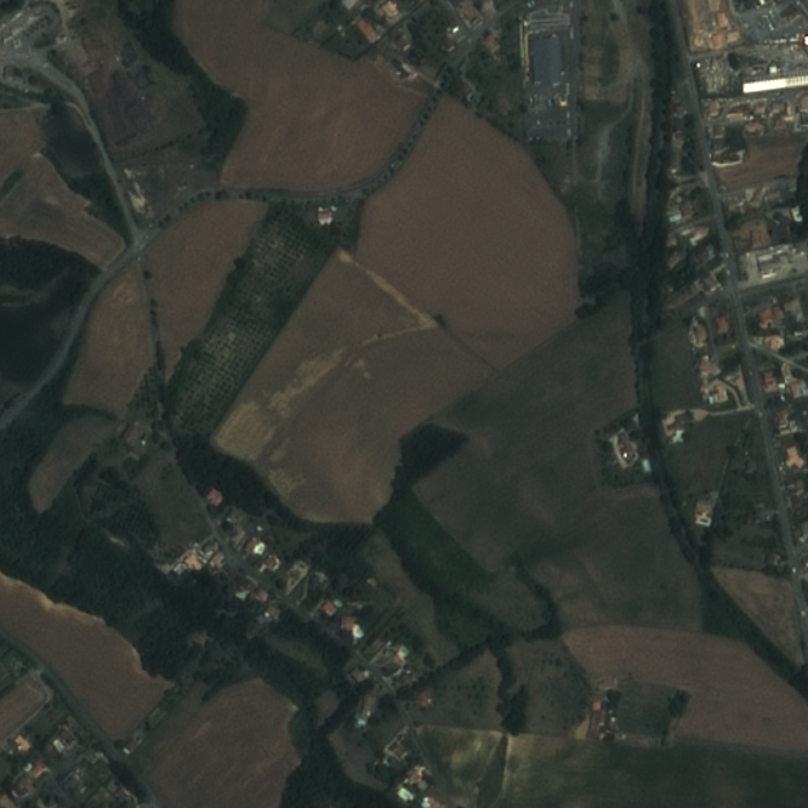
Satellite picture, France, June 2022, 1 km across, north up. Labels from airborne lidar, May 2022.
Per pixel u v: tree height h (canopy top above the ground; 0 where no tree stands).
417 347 0
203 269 0
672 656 0
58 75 0
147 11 10
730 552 0
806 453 10
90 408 6
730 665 0
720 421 0
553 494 0
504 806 0
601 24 0
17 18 0
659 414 8
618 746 0
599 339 0
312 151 0
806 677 12
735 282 0
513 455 0
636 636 0
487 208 0
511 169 0
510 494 0
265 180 0
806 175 12
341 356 0
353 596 9
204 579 13
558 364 0
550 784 0
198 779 0
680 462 0
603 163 0
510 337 0
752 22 0
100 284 0
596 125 0
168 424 11
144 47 8
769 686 0
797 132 0
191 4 0
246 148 0
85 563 8
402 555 11
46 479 0
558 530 0
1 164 0
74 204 0
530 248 0
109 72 0
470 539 0
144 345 0
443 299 0
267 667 6
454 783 0
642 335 8
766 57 0
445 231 0
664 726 0
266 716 0
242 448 0
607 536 0
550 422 0
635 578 0
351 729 0
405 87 0
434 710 0
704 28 0
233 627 14
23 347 0
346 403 0
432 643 0
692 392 0
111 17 0
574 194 0
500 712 10
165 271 0
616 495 0
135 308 0
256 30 0
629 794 0
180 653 12
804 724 0
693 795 0
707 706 0
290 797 13
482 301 0
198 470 20
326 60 0
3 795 6
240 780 0
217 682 11
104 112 0
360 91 0
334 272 0
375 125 0
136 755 0
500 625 7
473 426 0
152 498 0
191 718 0
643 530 0
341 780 10
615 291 6
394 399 0
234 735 0
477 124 0
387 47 0
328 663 6
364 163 0
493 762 0
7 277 8
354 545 8
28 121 0
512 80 0
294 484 0
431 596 7
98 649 0
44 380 0
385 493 0
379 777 6
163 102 0
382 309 0
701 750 0
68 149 0
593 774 0
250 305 8
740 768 0
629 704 0
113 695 0
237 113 9
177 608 12
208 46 0
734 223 11
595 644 0
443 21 6
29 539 12
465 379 0
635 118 0
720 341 9
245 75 0
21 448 8
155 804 0
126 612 11
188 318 0
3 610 0
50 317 0
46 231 0
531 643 9
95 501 8
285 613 10
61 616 0
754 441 8
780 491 0
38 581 12
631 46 0
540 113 0
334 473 0
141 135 0
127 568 13
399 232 0
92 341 0
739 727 0
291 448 0
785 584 0
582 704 12
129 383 0
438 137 0
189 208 11
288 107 0
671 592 0
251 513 10
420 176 0
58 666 0
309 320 0
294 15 0
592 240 0
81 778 0
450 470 0
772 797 0
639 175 0
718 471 0
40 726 0
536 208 0
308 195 0
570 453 0
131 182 0
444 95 14
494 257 0
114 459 0
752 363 0
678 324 0
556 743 0
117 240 0
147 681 0
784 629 0
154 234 0
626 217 9
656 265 14
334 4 10
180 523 0
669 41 11
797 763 0
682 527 11
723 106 0
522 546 0
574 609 0
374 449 0
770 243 0
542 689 0
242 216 0
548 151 0
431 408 0
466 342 0
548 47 0
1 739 0
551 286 0
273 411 0
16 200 0
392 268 0
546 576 0
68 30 0
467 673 0
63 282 0
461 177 0
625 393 0
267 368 0
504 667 14
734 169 0
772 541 6
